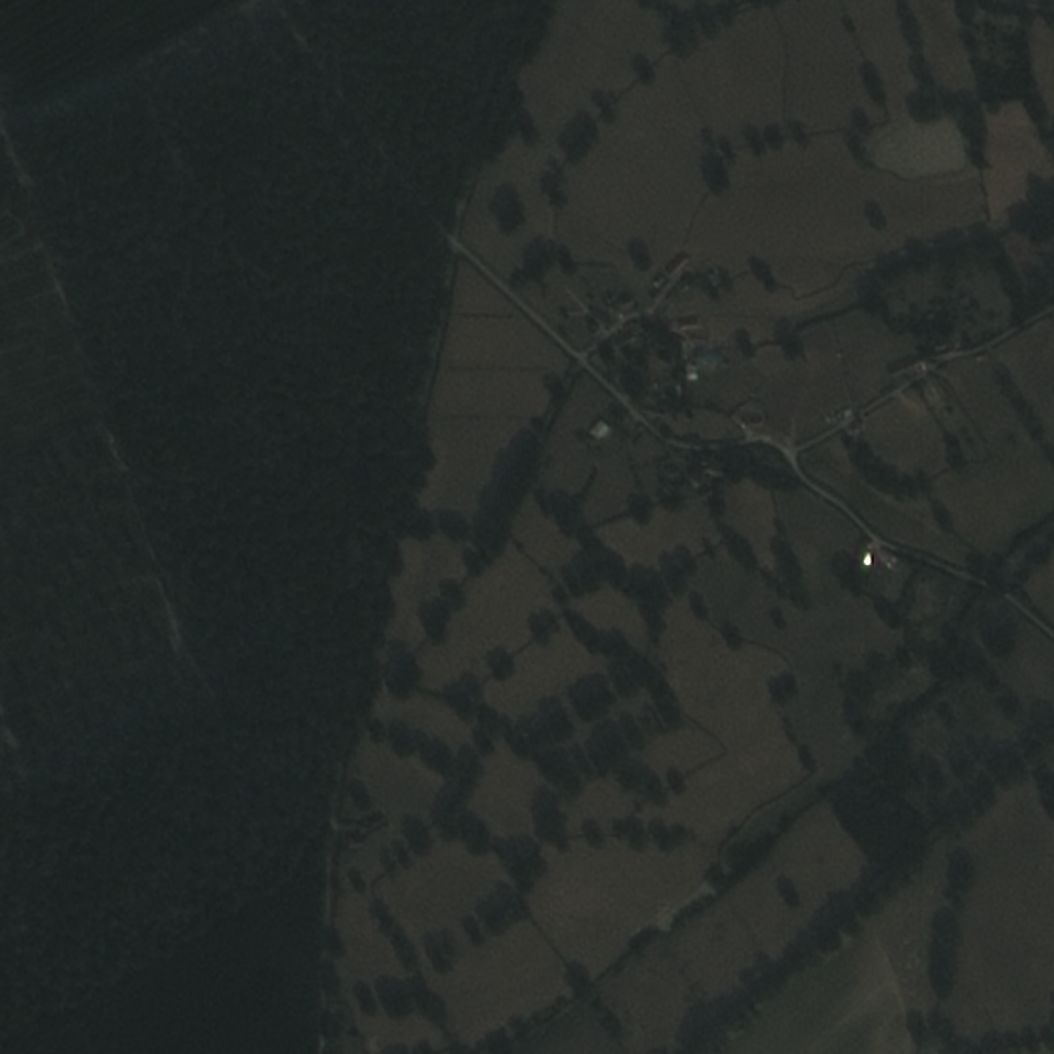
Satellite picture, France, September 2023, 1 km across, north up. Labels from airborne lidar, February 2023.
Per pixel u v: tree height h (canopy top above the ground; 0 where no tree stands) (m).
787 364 0
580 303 0
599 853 0
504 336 0
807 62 0
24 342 0
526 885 15
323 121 23
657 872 0
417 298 24
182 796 35
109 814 33
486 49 24
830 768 0
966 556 0
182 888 25
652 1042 0
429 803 0
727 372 0
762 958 0
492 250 0
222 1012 16
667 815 0
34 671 0
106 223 34
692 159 0
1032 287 13
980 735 0
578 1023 0
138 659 0
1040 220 14
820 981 0
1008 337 0
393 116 27
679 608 0
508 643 0
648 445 0
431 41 27
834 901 11
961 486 0
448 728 0
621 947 0
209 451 28
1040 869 0
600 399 0
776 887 0
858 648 0
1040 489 0
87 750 34
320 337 32
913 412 0
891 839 15
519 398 0
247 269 32
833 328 0
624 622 0
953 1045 23
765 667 0
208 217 31
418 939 0
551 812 23
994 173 0
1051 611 0
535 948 0
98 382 29
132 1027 13
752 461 15
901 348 0
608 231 0
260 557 31
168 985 13
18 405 0
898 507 0
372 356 32
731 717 0
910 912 0
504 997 0
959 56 0
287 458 29
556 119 0
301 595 34
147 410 32
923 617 0
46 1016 9
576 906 0
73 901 27
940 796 0
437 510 0
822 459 0
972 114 24
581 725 0
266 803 39
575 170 0
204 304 34
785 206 0
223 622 38
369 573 21
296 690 38
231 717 38
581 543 18
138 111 35
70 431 0
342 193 26
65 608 36
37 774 32
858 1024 0
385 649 0
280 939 14
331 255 30
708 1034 24
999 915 0
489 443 0
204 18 6
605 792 0
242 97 29
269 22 26
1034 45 0
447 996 0
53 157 25
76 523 0
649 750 0
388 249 31
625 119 0
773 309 0
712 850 0
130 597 0
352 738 19
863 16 0
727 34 0
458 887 0
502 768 0
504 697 0
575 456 0
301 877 12
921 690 0
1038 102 17
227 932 16
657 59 0
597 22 0
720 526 11
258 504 33
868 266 0
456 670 0
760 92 0
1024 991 0
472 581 0
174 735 35
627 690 16
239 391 25
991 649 13
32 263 0
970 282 0
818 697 0
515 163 0
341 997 0
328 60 20
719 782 0
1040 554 16
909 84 0
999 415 0
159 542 31
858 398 0
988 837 0
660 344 7
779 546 15
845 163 0
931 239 0
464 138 31
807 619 0
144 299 34
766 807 0
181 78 29
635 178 0
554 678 0
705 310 0
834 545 0
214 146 31
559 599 13
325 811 10
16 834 26
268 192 31
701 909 7
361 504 30
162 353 34
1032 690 0
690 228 0
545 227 0
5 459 0
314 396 29
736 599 0
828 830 0
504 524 19
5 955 28
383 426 23
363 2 26
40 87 6
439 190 22
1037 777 11
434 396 0
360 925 0
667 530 0
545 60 0
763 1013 0
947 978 20
